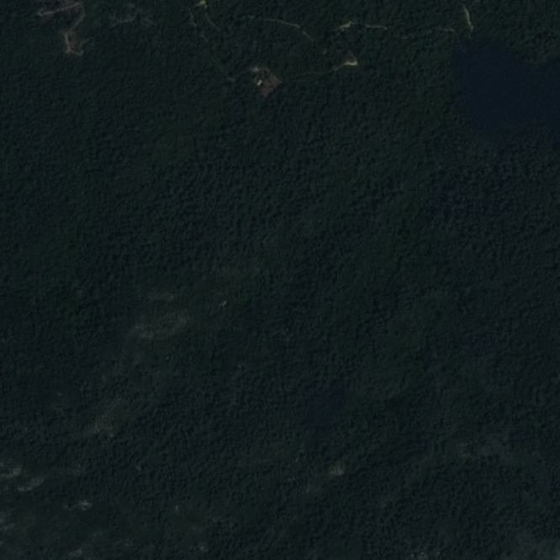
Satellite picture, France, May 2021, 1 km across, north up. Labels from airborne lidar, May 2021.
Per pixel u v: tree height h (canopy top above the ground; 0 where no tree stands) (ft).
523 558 29
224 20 37
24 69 34
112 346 18
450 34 38
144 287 18
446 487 80
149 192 49
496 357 27
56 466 54
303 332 72
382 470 85
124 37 36
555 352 45
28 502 18
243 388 56
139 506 51
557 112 33
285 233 40
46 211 44
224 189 66
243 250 77
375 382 50
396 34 53
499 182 19
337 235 59
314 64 26
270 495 24
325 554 19
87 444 66
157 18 41
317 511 64
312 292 44
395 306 22
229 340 42
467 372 45
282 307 49
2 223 49
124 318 51
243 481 71
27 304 54
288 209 27
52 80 33
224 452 67
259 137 55
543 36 47
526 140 64
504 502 55
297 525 47
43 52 21
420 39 46
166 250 33
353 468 23
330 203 38
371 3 39
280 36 46
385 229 24
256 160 22
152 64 29
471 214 65
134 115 29
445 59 24
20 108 29
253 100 25
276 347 28
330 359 62
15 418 26
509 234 66
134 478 54
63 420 68
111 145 58
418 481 19
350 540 56
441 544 40
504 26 18
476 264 31
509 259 39
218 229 68
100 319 51
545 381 41
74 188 26
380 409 44
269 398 68
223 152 47
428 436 59
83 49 24
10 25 29
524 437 68
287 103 47
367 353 65
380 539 75
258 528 55
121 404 18
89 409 58
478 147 22
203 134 58
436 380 50
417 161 51
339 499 68
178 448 65
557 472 21
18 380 37
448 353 60
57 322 48
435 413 61
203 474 61
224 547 34
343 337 37
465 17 29
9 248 35
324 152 48
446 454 60
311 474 44
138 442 17
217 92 37
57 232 49
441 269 64
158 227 37
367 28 62
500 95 23
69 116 46
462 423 21
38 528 17
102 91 35
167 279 26
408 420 52
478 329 20
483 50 78
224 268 62
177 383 20
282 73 32
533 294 22
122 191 37
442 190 17
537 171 79
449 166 31
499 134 26
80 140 46
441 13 66
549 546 63
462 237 21
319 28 40
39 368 47
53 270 46
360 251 19
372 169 65
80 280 42
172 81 31
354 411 37
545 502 26
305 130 67
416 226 25
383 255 50
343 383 55
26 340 50
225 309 36
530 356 42
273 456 21
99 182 55
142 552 41
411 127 55
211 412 76
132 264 70
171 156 23
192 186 73
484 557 39
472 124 25
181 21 48
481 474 87
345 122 62
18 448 53
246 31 31
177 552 62
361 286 24
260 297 34
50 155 39
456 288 39
